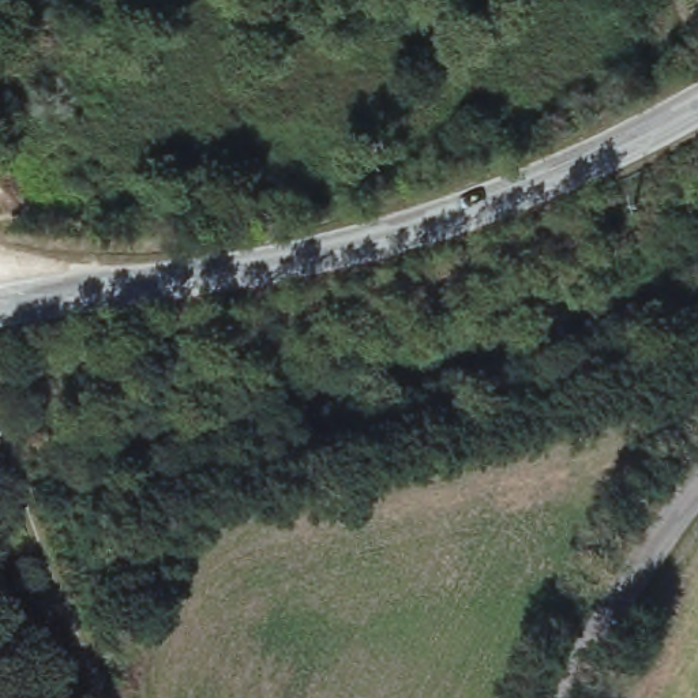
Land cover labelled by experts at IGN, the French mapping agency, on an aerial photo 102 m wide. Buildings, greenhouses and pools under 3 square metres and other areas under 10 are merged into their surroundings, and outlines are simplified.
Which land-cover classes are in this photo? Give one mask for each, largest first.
<instances>
[{"label":"deciduous trees","instance_id":"1","mask_svg":"<svg viewBox=\"0 0 698 698\"><path fill-rule=\"evenodd\" d=\"M622 194H597L594 180H589L575 194V199L556 202L551 210L543 213V218L532 221L529 226L510 224L504 229H496L494 224H485L453 240H439L434 245H417L401 254H387L379 262L354 264L335 273L286 278L278 281V289L264 297L262 308L254 303H243L234 308L218 305L213 303V292H199L188 300L185 311H161L155 303L98 308L87 316H68L60 324H33L0 338V562L14 545L30 537L25 510H35L38 524L46 532V540L41 543L44 553L79 556L90 567H101L104 586L82 583L79 597L74 600V611L79 616L76 641L82 646H95L104 657H109L115 649H120V633H131L147 649L161 646L175 633L180 622V605L191 597L199 559L218 543L224 529H234L245 521H259L278 529H292L294 521L303 515L311 524L330 521L344 524L349 529H360L371 521L374 504L384 499L390 491L428 485L434 477L455 480L464 472H485L491 466L515 464L521 458L534 461L556 442L564 444L570 436L600 439L608 428H616L622 434L627 447L638 434L654 431L660 425H679L698 409V202L665 204L660 210L654 234L646 243H641L635 237V229L627 224L624 207H619ZM38 477H60L71 483L76 488L74 499L68 502L38 496L33 491ZM687 466L679 455H646V461L633 474H627L622 491L611 496L608 507L600 510L589 526H573V556L564 562V570L556 578V586L570 597H586L594 603L611 594L613 589H622L643 570L633 548L646 540V529L657 521L660 507L673 499L676 488L684 480ZM19 573L27 589L38 592L55 583L49 575V564L38 567L33 559H25L19 564ZM76 682V663L68 660L65 652L52 641V635L44 627H35L0 589V698H74L71 687Z\"/></svg>","mask_w":698,"mask_h":698},{"label":"brushwood","instance_id":"2","mask_svg":"<svg viewBox=\"0 0 698 698\"><path fill-rule=\"evenodd\" d=\"M104 16L90 19L74 11L65 0H0V183L5 177H16L22 196L27 202L85 204L87 199H93L90 188L82 185V180L101 169V161L90 158L87 139L63 134L65 117L74 115L79 104L76 98H71V93L85 82L87 71L101 68V74L112 82L139 85L158 82L172 74L177 52L183 49V44H188V38L180 30L191 27L194 22L191 8H175L145 0H101ZM450 3H453V8H458V11H469V14H474V16H483V19L488 16V0H450ZM543 5V25L534 33L532 46L504 52L499 68H474L469 93L447 82V68L436 60L434 30H414L409 22H401L398 16L371 19L363 11H357V5H324L322 14L303 16L294 27L300 33V41L289 49L281 65L254 60L251 55H245V46L234 38H229L221 79L237 87L240 93H270L275 85H292L305 71L308 55H319L324 60L346 65L363 52L368 38H401L393 65L395 71H401V79L406 82V95L423 104H455L444 120H439L425 136H420L409 128V106H401L387 87L360 90L349 104V128L354 136V147L344 158L341 183L327 185L333 199L330 213L316 207L314 213H305L297 221L273 218L267 224H251V232L240 245L243 251H251L256 245H297L303 240H319V232L352 224H374L384 213H395L444 196L455 188L466 191L483 185L491 177H521V169L529 161L562 150L573 142H581L635 112H643L649 104L673 95L687 85L698 87V38L693 33H684V46L663 55L657 63V74L652 79H641L638 74L622 79L619 74L605 71L603 60L633 52V44L638 38L657 41L652 19H657L660 11H665L673 0H537ZM622 194L619 207H624L627 224L635 229V237L641 243H646L654 234L660 210L665 204L698 202V134L671 147H663L633 166H622ZM150 213L139 202L117 215H106L104 210H98L95 218H85L79 213L76 221L68 224H30L16 221L14 215L11 221V234L71 240L95 237L101 245H109L112 240L136 243L142 237L136 226L147 224ZM627 447L643 450L646 455H679L687 466L684 480H693L698 485V409L679 425H660L654 431L638 434ZM597 613L594 603L586 597H570L556 586V578H545L543 586L529 597V605L521 619V638L515 641L507 657L504 676L494 684L496 698H553L559 679L567 676V660L575 638L583 633L586 619ZM671 630V619L665 613L630 608L622 622V630L613 633L611 641L597 638L586 649H581L578 671L567 698H627L635 682L654 668Z\"/></svg>","mask_w":698,"mask_h":698},{"label":"agricultural land","instance_id":"3","mask_svg":"<svg viewBox=\"0 0 698 698\"><path fill-rule=\"evenodd\" d=\"M698 8V0H673L665 11H660L657 19H652L657 41L668 38L673 25L690 19ZM646 461V455L643 450L627 447L622 434L616 428H608L600 439L570 436L564 444L556 442L534 461L521 458L515 464L491 466L485 472H464L455 480L434 477L428 485L390 491L384 499L374 504L371 521L360 529H349L344 524L330 521L311 524L303 515L294 521L292 529H278L259 521H245L234 529H224L218 543L199 559L191 597L180 605V622L175 633L161 646L147 649L134 663L106 660L120 698H496L494 684L504 676L507 657L515 641L521 638V619L529 605V597L543 586L545 578H556L564 570V562L573 556V526H589L600 510L608 507L611 496L622 491L627 474H633ZM682 597L671 619V630L654 668L635 682L627 698H698V573L684 570L679 575Z\"/></svg>","mask_w":698,"mask_h":698},{"label":"herbaceous vegetation","instance_id":"4","mask_svg":"<svg viewBox=\"0 0 698 698\"><path fill-rule=\"evenodd\" d=\"M74 11L90 19L104 16L101 0H65ZM175 8H191L194 22L191 27L180 30L188 38V44H183V49L177 52L172 74L158 82L139 85L112 82L101 74V68L87 71L85 82L71 93V98H76L79 104L74 115L65 117L63 134L87 139L90 158L101 161V169L82 180V185L90 188L93 199H87L85 204L27 202L16 204L14 215L16 221L30 224H68L76 221L79 213L85 218H95L98 210H104L106 215H117L139 202L134 194H128L139 175L147 180H180L185 172L204 169L213 185H226L232 194L259 199L267 191H292L297 196H305L316 207L330 213L333 199L327 185L341 183L344 158L354 147V136L349 128V104L360 90L387 87L401 106H409V128L420 136H425L439 120H444L455 104H423L406 95V82L401 79V71H395L393 65L401 38H368L363 52L346 65L324 60L319 55H308L305 71L292 85H275L270 93H240L237 87L221 79L229 38H234V14L240 8L237 0H145ZM684 33H693L698 38V8L690 19L673 25L668 38L657 41L638 38L633 44V52L603 60L605 71L619 74L622 79L638 74L641 79H652L657 74V63L663 55L684 46ZM11 221H0V248L71 262H153V267H166L169 262L158 240L142 237L136 243L112 240L109 245H101L95 237L71 240L11 234ZM33 491L38 496L68 502L74 499L76 488L71 483L60 477H38ZM30 537L14 545L0 562V589L35 627H44L52 635V641L65 652L68 660L76 663V682L71 687L74 698H120L106 660L134 663L147 649L131 633H120V649H115L109 657H104L95 646H82L76 641L79 616L74 611V600L79 597L82 583L104 586L101 567H90L79 556L44 553L41 543L46 540V532L38 524L35 510H25ZM25 559H33L38 567L49 564V575L55 583L38 592L27 589L19 573V564Z\"/></svg>","mask_w":698,"mask_h":698},{"label":"impervious surface","instance_id":"5","mask_svg":"<svg viewBox=\"0 0 698 698\"><path fill-rule=\"evenodd\" d=\"M698 134V87L687 85L673 95L649 104L643 112H635L581 142H573L562 150L529 161L521 169V177H491L483 185L466 191L455 188L444 196L395 213H384L374 224H352L319 232V240H303L297 245H256L251 251H234L232 256L215 254L204 262L194 259L191 267L169 262L166 267H153V262H71L68 273L74 278L44 284L35 275H11L0 284V338L33 324H60L68 316H87L98 308L155 303L161 311H185L188 300L199 292H213V303L218 305L234 308L243 303H254L262 308L264 297L278 289V281L286 278L335 273L354 264L379 262L387 254H401L417 245H434L439 240H453L485 224H494L496 229H504L510 224L529 226L532 221L543 218V213L551 210L556 202L575 199V194L589 180H594L597 194H622V166H633L663 147H671ZM698 518V485L693 480H684L676 488L673 499L660 507L657 521L646 529V540L633 548L643 570L622 589H613L611 594L594 603L597 613L586 619L583 633L575 638L567 660V676L559 679L553 698H567L578 671L581 649H586L597 638L611 641L613 633L622 630V622L630 608L665 613L671 619L682 597L679 575L676 562L668 553L679 534Z\"/></svg>","mask_w":698,"mask_h":698},{"label":"coniferous trees","instance_id":"6","mask_svg":"<svg viewBox=\"0 0 698 698\"><path fill-rule=\"evenodd\" d=\"M240 8L234 14V38L245 46V55H251L254 60L281 65L289 49L300 41V33L294 27L303 16L322 14L324 5H357V11H363L371 19L398 16L401 22H409L414 30H434L436 60L447 68V82L469 93L474 68H499L504 52L532 46L534 33L543 25V5L537 0H488V16L483 19V16H474V14H469V11H458V8H453V3H450V0H237ZM128 194H134L139 202L150 213L147 224L136 226L142 237L158 240L169 262L191 267L194 259L204 262L215 254L232 256L234 251H243L240 245L251 232V224H267L273 218L297 221L305 213H314L316 207L305 196H297L292 191H267L259 199L232 194L226 185H213L204 169L185 172L180 180H147L139 175Z\"/></svg>","mask_w":698,"mask_h":698},{"label":"pervious surface","instance_id":"7","mask_svg":"<svg viewBox=\"0 0 698 698\"><path fill-rule=\"evenodd\" d=\"M27 202L22 196L16 177H5L0 183V221H11L14 215L16 204ZM71 262L0 248V284L11 275H35L44 284L74 278L68 273ZM676 562L679 575L684 570L698 573V518L679 534L668 553Z\"/></svg>","mask_w":698,"mask_h":698}]
</instances>
